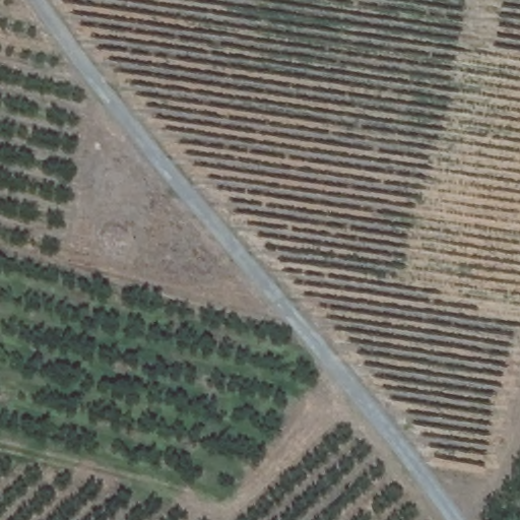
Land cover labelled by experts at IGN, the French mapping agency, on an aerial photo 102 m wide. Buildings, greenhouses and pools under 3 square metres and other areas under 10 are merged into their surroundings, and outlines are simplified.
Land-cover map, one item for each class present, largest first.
<instances>
[{"label":"vineyard","instance_id":"1","mask_svg":"<svg viewBox=\"0 0 520 520\"><path fill-rule=\"evenodd\" d=\"M73 6V14L79 16L81 26H89V35L95 39L98 49L108 51L112 69L118 73H128L126 81L132 83L136 95L146 98V106L152 110V116L165 120V130L193 134V138H181L179 142L185 146L187 154L191 156V163L207 171L209 179L215 181V189L240 193V197H232L236 209L234 213L248 215V225H254L258 238H264L266 250L278 252V260L282 262L284 272L290 274L295 284L307 286L305 297L319 299V307L329 309L327 317L333 321L335 331H347L349 343H353L358 353L364 355V366H368L376 378L384 380L386 394L392 400L408 402L406 420L414 423L412 435H423L429 443V447L420 445L416 447V451L425 457L427 465L431 467L453 469L473 475L479 473L483 461L477 459V455H488L492 396L502 386V382L494 380V376H502L512 347L510 343L514 331L516 327H520V0H69Z\"/></svg>","mask_w":520,"mask_h":520},{"label":"deciduous trees","instance_id":"2","mask_svg":"<svg viewBox=\"0 0 520 520\"><path fill-rule=\"evenodd\" d=\"M12 0H0V520H195L183 508H179V504L175 502L177 496L189 485L197 494L213 498L217 502L234 498L236 490L242 485L244 479V465L250 463L258 467V463L264 459L268 443L280 437L286 398L305 396L317 384L319 372L311 351L293 335L290 325L270 321L238 317L236 313L217 311L213 307L191 309L183 301L163 299L160 286L130 284L122 288L120 284H112L102 272L81 276L73 270L51 264L53 254L59 252V228H63L65 223L61 209L67 201L73 199L71 179L77 171L73 158L77 148L75 124L79 122V116L59 106L65 98L81 102L85 89L69 81L51 79L55 75V65H59L63 51L53 35H39L35 24L8 18ZM236 520H420V516L416 514V506L402 492V485L396 481L392 483L384 473V461L380 459L378 451L358 435H353L347 423H339L331 433L323 435L319 445L313 447V451H307L301 457L297 465L284 469L278 481L268 485L252 506H248L246 512L238 514ZM481 520H520V449L518 457L512 461L510 475H506L502 481V488L485 498Z\"/></svg>","mask_w":520,"mask_h":520},{"label":"pervious surface","instance_id":"3","mask_svg":"<svg viewBox=\"0 0 520 520\"><path fill-rule=\"evenodd\" d=\"M8 18L35 24L39 35H53L63 51L59 65H55V75L51 79L69 81L85 89L89 87L108 104V110L116 116V124L126 134V138L130 136L136 140V144L146 152V156L152 160L156 171L169 181L175 193L205 223L207 232L217 238L221 248L234 256L236 264L250 278V295L266 297L270 301V321L290 325L293 335L311 351L319 372L317 384L305 396L286 398L280 437L268 443L264 459L258 463V467L250 463L244 465V479L242 485L236 490L234 498L217 502L213 498L197 494L189 485L177 496L175 502L179 504V508H183L195 520H236L238 514L246 512L248 506H252L268 485L278 481L284 469L297 465L301 457L307 451H313V447L319 445L323 435L331 433L339 423H347L353 435H358L378 451L380 459L384 461V473L392 483L396 481L402 485V492L416 506V514L420 516V520H465L457 506L451 502V498L441 490L439 481L431 473V467L427 465L425 457L416 451V447L420 445L429 447V443L423 435H412L414 423L406 420L408 402L392 400L386 394L384 380L376 378L368 366H364V355L358 353L353 343H349L347 331H335L333 321L327 317L329 309L319 307V299L305 297L307 286L295 284L290 274L284 272L282 262L278 260V252L266 250L264 238H258L254 225H248V215L234 213L236 209L232 197H240V193L215 189V181L209 179L207 171L191 163V156L187 154L185 146L179 142L181 138H193V134L165 130V120L152 116V110L146 106V98L136 95L132 83L126 81L128 73H118L112 69L108 51L98 49L95 39L89 35V26H81L79 16L73 14V6L69 0H12Z\"/></svg>","mask_w":520,"mask_h":520},{"label":"plowed land","instance_id":"4","mask_svg":"<svg viewBox=\"0 0 520 520\"><path fill-rule=\"evenodd\" d=\"M79 116V122L75 124L77 148L73 158L77 171L71 179L73 199L67 201L61 209L65 223L63 228H59V252L53 254L51 264L73 270L81 276L102 272L112 284H120L122 288L130 284L160 286L163 299L183 301L191 309L213 307L217 311L236 313L238 317L270 321V301L266 297L250 295V278L236 264L234 256L221 248L217 238L207 232L205 223L175 193L169 181L156 171L152 160L146 156V152L136 144V140L130 136L126 138V134L116 124V116L108 110V104L89 87L85 89L81 102L65 98L59 106ZM512 347L502 376H494V380L502 382V386L492 396L488 455H477V459L483 461L479 473L473 475L453 469L431 467V473L439 481L441 490L451 498V502L457 506L465 520H481L485 498L502 488V481L506 475H510L512 461L518 457L520 449V327H516L514 331L510 343Z\"/></svg>","mask_w":520,"mask_h":520}]
</instances>
